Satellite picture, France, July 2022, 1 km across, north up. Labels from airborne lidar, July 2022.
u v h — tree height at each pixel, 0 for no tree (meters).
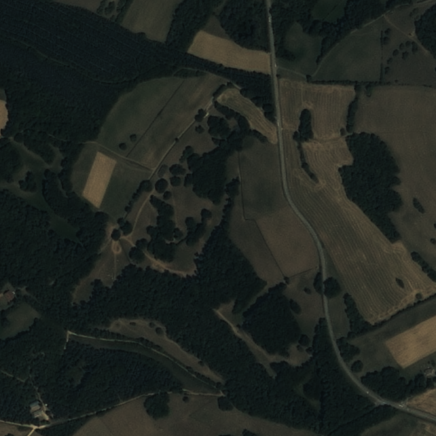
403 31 0
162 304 16
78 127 19
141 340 8
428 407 0
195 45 0
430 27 19
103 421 0
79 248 24
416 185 0
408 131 0
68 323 16
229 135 8
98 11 7
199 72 7
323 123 0
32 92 11
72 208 21
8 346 23
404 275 0
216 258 24
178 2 0
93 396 15
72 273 17
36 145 17
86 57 13
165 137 0
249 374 22
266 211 0
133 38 12
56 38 13
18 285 14
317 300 0
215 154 18
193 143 0
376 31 0
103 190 0
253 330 19
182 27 16
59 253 21
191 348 12
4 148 10
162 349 13
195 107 0
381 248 0
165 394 16
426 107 0
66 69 9
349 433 21
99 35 12
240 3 18
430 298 7
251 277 21
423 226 0
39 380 13
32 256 17
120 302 17
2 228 19
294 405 26
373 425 21
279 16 8
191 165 13
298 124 0
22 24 13
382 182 14
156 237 16
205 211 16
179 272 0
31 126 13
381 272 0
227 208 15
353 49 0
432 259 0
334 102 0
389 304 0
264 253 0
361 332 13
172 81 0
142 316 14
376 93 0
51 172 10
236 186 17
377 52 0
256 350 0
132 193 0
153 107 0
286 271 0
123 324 0
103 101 9
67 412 8
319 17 0
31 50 12
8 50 10
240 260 18
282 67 0
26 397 11
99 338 13
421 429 0
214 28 0
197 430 0
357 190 17
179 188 0
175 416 0
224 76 8
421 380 21
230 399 11
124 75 12
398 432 0
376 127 0
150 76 10
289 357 19
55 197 22
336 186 0
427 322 0
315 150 0
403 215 0
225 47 0
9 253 11
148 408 13
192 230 18
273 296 21
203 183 22
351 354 15
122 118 0
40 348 12
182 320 19
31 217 25
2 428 0
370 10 18
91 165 0
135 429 0
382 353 0
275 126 0
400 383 20
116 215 0
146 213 0
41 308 10
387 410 22
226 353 19
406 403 0
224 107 12
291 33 0
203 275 18
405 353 0
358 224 0
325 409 22
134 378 14
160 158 0
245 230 0
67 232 0
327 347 19
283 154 0
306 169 15
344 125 0
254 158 0
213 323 20
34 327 11
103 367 19
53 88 11
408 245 0
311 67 0
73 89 10
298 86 0
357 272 0
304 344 19
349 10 14
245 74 15
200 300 22
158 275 23
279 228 0
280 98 0
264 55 0
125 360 15
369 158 14
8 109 18
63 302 21
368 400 13
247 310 0
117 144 0
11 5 12
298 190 0
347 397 20
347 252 0
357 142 14
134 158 0
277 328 23
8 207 18
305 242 0
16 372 12
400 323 0
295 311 17
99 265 0
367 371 0
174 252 21
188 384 0
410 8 0
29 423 11
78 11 10
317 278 12
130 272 20
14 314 0
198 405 0
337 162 0
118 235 20
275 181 0
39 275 17
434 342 0
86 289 0
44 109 13
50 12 13
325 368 26
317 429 16
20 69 11
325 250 0
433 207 0
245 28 7
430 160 0
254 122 0
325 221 0
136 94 0
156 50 13
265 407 18
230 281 19
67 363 18
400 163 0
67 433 11
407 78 0
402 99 0
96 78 10
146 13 0
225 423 0
